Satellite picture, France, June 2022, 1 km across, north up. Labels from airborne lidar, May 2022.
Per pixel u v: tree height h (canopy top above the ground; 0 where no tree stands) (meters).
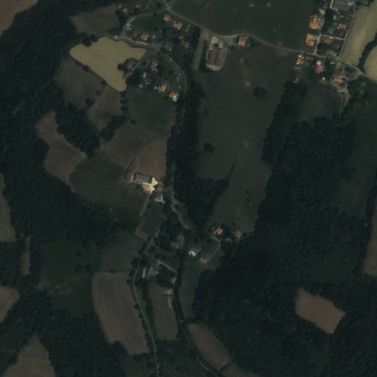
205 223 7
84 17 0
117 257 0
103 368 11
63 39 21
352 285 16
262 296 15
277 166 6
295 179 28
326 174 16
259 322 23
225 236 8
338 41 0
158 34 0
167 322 0
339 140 29
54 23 24
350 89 26
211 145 16
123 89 0
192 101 22
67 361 11
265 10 0
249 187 0
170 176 10
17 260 11
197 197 26
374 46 9
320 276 0
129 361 0
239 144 0
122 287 0
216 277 21
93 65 0
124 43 0
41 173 18
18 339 0
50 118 0
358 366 24
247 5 0
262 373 9
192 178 29
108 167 0
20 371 0
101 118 0
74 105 21
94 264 0
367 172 0
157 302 0
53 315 20
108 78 0
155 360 0
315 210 18
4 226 0
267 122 0
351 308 22
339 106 0
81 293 0
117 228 21
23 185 21
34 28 25
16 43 17
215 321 17
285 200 24
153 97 0
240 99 0
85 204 14
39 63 22
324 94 0
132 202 0
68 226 27
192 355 12
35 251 23
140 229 0
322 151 28
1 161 25
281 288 24
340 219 23
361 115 0
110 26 0
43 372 0
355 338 16
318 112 0
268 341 21
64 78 0
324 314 0
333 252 7
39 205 11
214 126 0
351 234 12
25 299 21
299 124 14
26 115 19
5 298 0
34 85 15
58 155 0
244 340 14
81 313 0
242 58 0
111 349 19
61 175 0
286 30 0
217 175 0
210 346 0
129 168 0
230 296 25
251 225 0
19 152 20
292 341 27
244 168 0
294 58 0
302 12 0
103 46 0
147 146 0
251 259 25
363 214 0
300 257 11
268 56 0
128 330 0
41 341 14
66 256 0
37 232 12
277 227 10
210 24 0
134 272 11
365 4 0
